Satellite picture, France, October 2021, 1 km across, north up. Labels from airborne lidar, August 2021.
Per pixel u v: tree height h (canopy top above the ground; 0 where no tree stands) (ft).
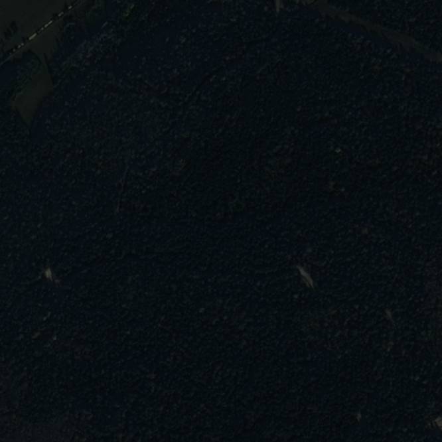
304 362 27
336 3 32
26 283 68
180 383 49
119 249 38
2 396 36
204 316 73
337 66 63
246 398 91
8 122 92
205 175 57
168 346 80
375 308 33
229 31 34
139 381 59
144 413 84
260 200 59
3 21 0
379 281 74
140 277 39
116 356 49
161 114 36
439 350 22
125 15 54
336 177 70
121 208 71
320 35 63
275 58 65
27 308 47
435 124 83
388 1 40
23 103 0
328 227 68
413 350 26
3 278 40
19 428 31
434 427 0
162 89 69
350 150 19
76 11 0
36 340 32
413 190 63
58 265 71
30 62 51
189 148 50
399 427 94
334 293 83
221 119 60
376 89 73
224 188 63
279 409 92
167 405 19
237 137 61
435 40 61
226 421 52
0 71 0
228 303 40
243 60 27
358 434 122
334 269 76
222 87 43
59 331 23
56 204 32
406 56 60
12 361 75
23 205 31
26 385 41
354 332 65
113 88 35
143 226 71
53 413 39
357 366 26
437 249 32
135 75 62
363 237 44
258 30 90
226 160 48
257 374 106
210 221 94
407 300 60
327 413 69
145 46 41
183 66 46
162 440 39
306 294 81
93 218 34
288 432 89
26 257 39
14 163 32
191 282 51
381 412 39
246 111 41
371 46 55
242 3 35
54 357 36
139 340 92
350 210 73
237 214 25
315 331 25
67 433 31
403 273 98
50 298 25
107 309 25
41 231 33
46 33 0
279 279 49
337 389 87
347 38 74
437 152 38
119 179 61
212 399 18
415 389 26
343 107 71
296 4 21
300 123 42
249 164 50
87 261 60
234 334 61
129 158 27
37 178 31
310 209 89
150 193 61
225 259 99
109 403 30
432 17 30
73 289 99
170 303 67
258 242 84
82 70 75
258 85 40
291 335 88
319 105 52
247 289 62
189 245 101
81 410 66
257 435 45
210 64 45
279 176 55
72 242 72
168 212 72
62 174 45
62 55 27
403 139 62
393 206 38
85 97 29
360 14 76
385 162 41
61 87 21
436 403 67
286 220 96
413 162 43
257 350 100
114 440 80
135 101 25
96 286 23
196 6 34
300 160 68
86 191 51
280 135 51
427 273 52
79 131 34
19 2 0
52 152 38
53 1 0
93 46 72
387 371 76
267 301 68
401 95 89
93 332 33
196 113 55
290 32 30
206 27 56
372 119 19
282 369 76
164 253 87
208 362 84
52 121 43
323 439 26
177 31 20
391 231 41
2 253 46
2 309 32
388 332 76
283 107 39
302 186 59
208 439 32
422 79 88
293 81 23
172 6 23
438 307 42
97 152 37
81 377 46
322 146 74
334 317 24
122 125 18
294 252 80
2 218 30
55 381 21
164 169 44
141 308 44
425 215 22
